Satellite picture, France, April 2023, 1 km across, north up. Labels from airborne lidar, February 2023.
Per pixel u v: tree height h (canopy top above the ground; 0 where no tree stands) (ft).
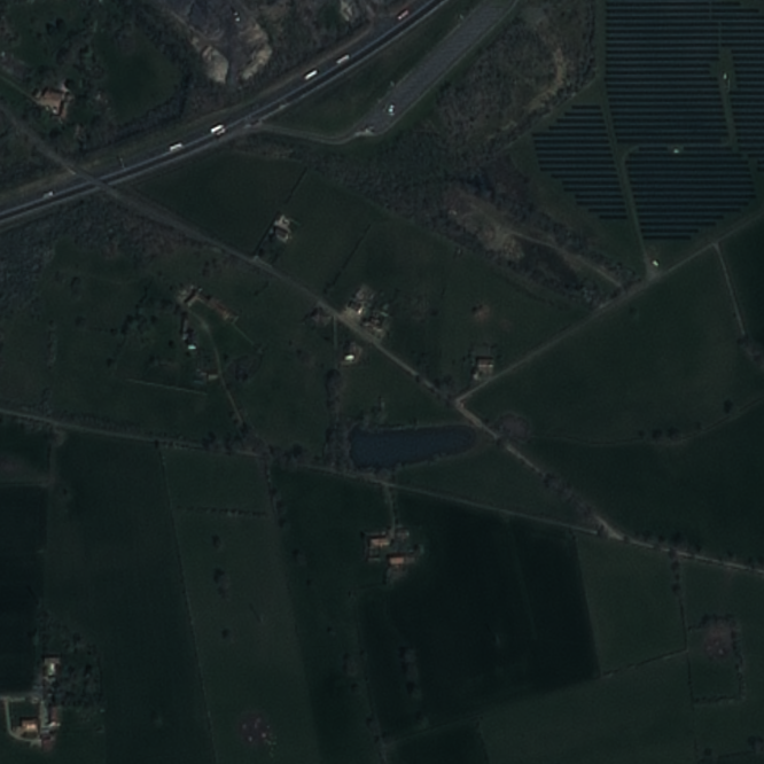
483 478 0
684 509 0
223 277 0
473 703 0
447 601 0
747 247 0
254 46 0
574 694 0
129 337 49
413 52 0
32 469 0
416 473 0
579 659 0
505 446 36
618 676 0
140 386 0
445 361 0
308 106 0
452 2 0
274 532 0
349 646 0
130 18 37
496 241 0
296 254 0
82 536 0
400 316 0
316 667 0
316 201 0
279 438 0
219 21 0
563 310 0
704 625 40
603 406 0
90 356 0
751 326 0
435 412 0
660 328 0
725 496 0
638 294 0
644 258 0
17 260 17
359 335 0
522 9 0
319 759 0
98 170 0
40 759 0
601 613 0
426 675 0
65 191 0
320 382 0
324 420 0
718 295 0
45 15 0
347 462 50
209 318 0
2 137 19
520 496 0
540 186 0
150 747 0
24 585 0
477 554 0
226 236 0
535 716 0
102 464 0
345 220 0
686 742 0
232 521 0
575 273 0
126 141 35
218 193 0
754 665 0
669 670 0
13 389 0
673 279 0
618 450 0
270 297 0
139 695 0
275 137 0
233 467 0
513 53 31
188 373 0
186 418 0
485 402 0
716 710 0
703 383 0
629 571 0
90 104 30
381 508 0
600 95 0
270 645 0
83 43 46
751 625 0
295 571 0
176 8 0
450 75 0
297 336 0
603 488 0
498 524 0
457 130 40
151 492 0
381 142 0
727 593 0
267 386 0
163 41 19
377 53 0
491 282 0
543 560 0
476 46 0
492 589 0
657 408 0
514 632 0
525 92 0
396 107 0
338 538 0
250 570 0
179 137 0
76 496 0
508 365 0
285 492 0
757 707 0
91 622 0
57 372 0
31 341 0
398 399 0
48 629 33
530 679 0
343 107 0
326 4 0
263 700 0
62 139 56
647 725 0
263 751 0
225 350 0
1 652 0
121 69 0
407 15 0
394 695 0
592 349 0
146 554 0
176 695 0
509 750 0
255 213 0
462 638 0
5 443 0
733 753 0
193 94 38
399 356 0
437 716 0
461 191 54
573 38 0
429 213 58
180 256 0
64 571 0
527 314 0
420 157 44
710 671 0
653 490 0
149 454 0
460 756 0
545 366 0
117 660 0
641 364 0
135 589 0
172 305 31
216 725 0
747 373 0
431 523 0
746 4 0
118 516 0
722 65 0
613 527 0
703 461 0
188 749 0
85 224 36
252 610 0
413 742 0
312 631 0
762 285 0
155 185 0
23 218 0
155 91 0
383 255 0
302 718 0
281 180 0
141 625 0
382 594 0
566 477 0
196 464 0
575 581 0
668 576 0
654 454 0
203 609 0
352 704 0
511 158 0
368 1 35
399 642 0
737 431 0
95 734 0
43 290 0
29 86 46
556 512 0
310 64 26
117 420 0
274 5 0
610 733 0
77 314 0
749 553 0
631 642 0
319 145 0
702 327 0
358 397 0
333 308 0
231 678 0
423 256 0
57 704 35
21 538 0
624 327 0
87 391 0
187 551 0
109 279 0
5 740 0
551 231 34
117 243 36
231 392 31
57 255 0
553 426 0
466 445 0
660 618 0
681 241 0
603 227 0
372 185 37
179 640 0
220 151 0
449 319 0
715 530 0
